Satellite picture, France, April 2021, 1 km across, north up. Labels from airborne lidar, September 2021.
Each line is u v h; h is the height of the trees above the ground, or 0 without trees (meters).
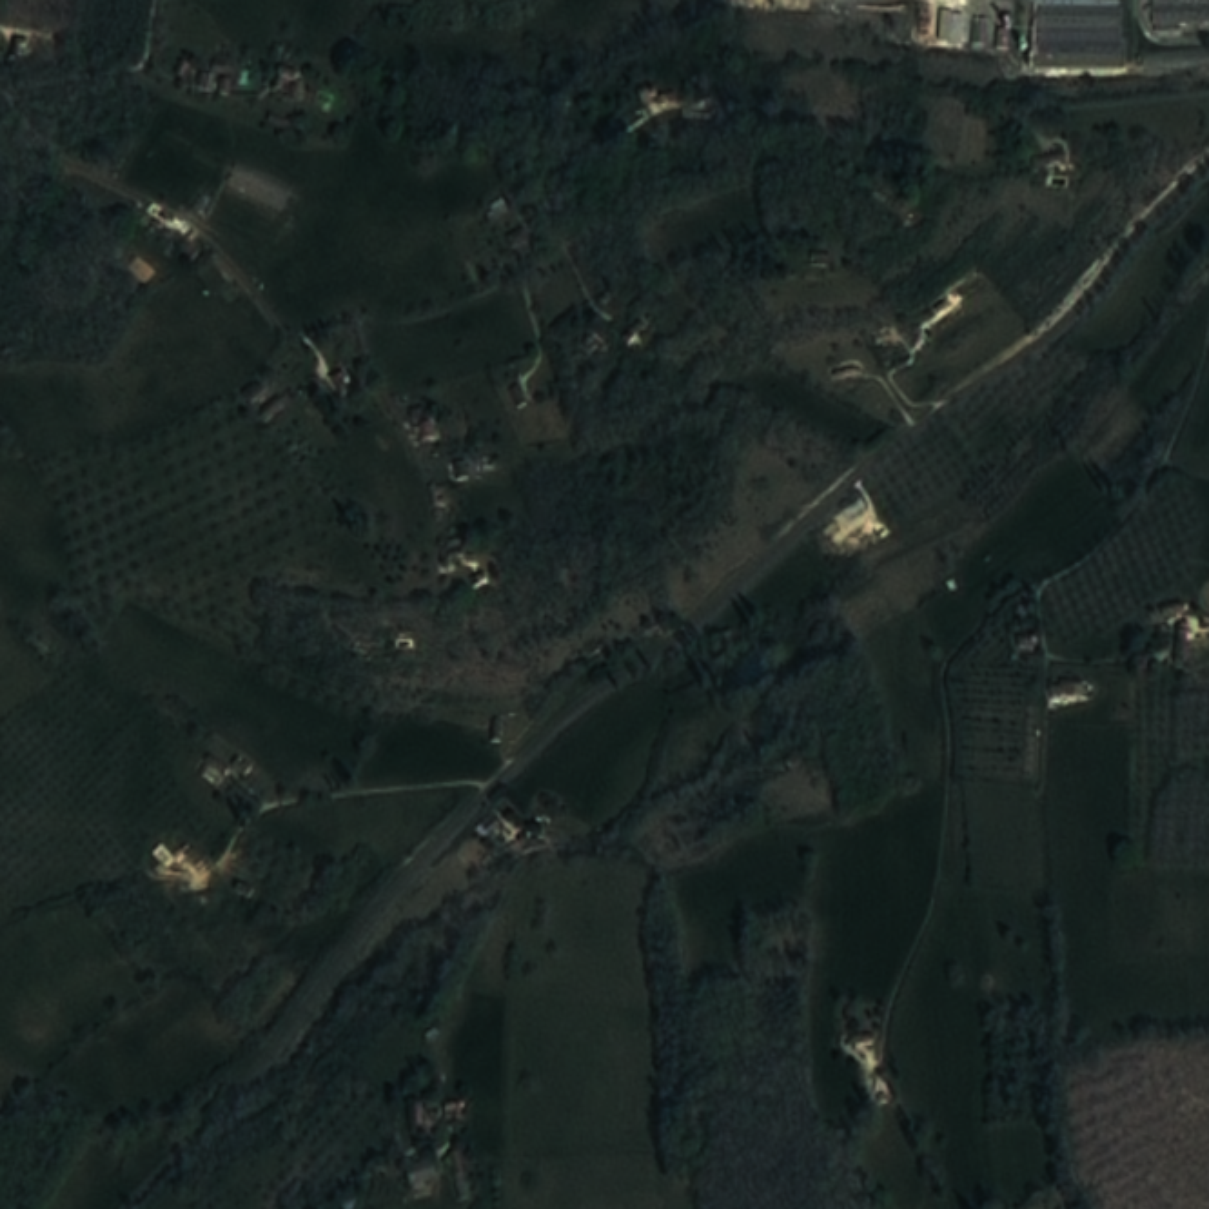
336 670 14
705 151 20
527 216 21
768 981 20
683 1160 17
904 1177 0
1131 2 0
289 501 8
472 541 21
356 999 11
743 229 0
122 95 13
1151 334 7
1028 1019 18
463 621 9
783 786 0
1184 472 6
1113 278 19
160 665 0
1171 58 0
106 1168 0
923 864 0
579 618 20
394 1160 12
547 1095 0
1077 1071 13
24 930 0
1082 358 11
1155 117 0
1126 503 11
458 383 0
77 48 19
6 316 13
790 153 17
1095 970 0
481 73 21
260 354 0
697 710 0
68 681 9
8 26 18
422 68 26
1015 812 0
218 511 9
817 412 0
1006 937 14
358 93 7
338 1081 12
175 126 0
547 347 8
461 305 0
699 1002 21
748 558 0
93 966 0
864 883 0
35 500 0
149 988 18
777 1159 23
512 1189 0
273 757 0
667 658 7
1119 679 0
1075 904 0
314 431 0
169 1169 8
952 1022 0
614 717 0
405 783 0
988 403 10
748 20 13
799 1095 19
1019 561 0
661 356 17
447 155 8
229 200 0
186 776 0
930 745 0
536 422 0
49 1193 23
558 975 0
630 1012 0
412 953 15
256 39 0
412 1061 0
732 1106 24
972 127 0
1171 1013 0
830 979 0
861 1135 22
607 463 15
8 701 0
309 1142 9
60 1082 0
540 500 16
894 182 10
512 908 0
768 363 16
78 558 11
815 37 0
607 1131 0
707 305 21
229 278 0
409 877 0
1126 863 15
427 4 9
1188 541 10
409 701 15
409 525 0
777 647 15
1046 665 0
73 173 0
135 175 0
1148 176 13
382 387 15
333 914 23
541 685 12
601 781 0
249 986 18
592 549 22
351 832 0
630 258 21
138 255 0
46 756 9
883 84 12
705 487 17
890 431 9
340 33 0
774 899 0
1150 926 0
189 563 7
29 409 0
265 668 11
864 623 0
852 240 10
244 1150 13
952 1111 0
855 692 18
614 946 0
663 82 0
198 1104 16
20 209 20
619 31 12
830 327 20
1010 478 17
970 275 0
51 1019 0
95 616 16
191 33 0
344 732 0
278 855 9
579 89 17
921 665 0
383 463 0
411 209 0
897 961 0
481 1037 0
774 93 6
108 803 7
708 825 13
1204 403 0
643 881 0
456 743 0
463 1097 9
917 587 0
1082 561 11
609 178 26
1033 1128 0
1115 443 0
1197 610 0
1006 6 0
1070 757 0
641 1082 0
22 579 0
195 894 7
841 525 0
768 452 13
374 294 0
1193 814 17
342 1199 16
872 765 23
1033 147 10
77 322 11
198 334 0
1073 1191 21
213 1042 0
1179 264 0
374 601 10
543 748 0
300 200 0
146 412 0
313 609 21
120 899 18
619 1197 0
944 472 10
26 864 6
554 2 0
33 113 16
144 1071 0
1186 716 15
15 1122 22
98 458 10
